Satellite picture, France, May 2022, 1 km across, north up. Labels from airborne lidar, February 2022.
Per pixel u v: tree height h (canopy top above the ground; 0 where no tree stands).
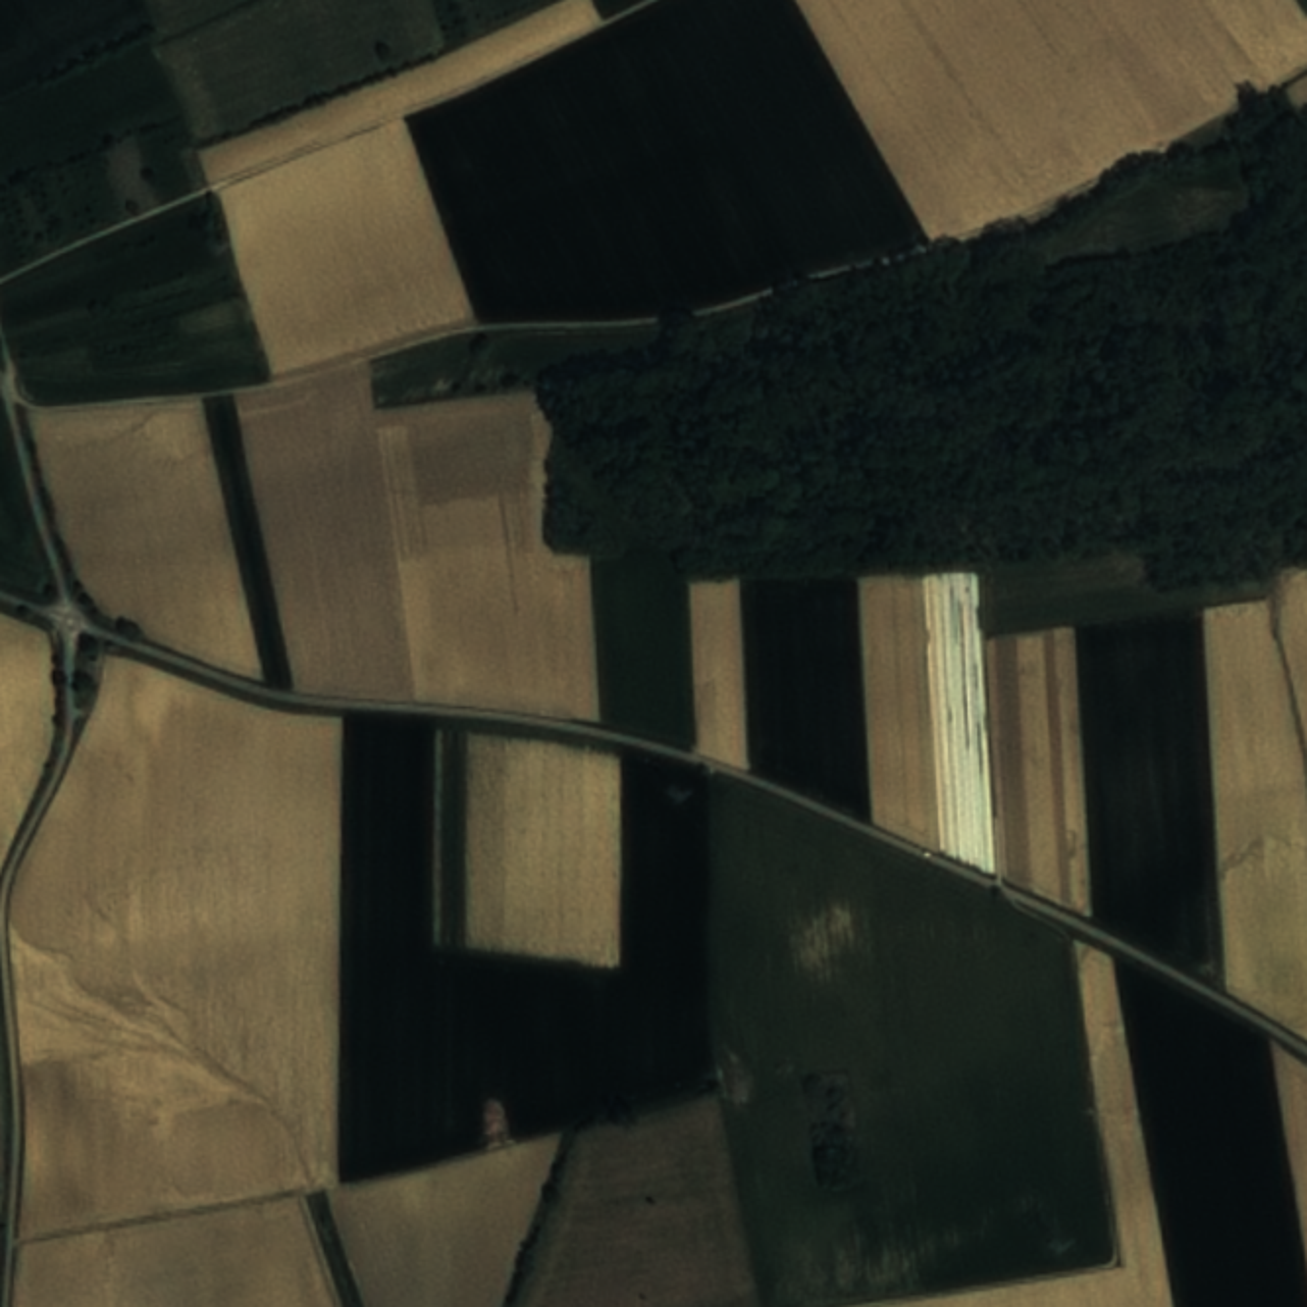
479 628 0
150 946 0
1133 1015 0
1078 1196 0
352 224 0
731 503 0
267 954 0
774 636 0
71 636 0
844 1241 0
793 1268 0
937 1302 0
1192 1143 0
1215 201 0
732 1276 0
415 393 0
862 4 0
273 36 0
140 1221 0
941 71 0
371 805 0
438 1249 0
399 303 0
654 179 0
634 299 0
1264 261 27
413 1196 0
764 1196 0
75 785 0
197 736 0
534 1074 0
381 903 0
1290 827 0
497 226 0
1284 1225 0
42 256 0
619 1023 0
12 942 0
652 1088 0
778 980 0
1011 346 23
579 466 0
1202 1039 0
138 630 10
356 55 0
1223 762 0
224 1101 0
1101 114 0
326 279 0
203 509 0
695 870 0
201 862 0
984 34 0
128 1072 0
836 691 0
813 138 0
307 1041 0
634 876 0
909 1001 0
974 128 0
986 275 29
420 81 0
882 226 0
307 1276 0
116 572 0
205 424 0
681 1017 0
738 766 0
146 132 6
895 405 31
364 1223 0
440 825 0
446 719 0
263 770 0
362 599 0
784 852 0
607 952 0
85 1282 0
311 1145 0
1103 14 0
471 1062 0
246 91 0
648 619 0
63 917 0
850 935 0
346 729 0
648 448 24
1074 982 0
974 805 0
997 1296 0
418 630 0
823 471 28
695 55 0
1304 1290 0
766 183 0
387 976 0
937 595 0
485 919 0
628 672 0
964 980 0
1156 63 0
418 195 0
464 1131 0
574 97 0
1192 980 0
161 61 0
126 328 0
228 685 0
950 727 0
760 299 0
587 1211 0
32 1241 0
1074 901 0
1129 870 0
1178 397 31
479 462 0
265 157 0
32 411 0
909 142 0
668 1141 0
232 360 0
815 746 0
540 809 0
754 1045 0
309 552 0
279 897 0
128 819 0
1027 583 0
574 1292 0
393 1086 0
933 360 7
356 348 0
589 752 0
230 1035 0
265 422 0
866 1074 0
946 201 0
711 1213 0
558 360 0
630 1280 0
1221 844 0
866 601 0
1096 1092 0
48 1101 0
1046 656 0
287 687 0
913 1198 0
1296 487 22
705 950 0
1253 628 0
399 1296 0
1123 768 0
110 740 0
